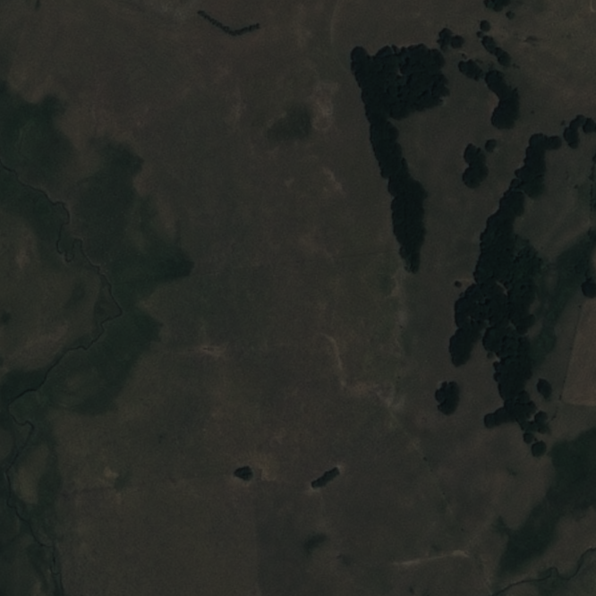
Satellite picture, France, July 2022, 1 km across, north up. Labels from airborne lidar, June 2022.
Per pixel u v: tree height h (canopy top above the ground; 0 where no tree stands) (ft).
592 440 0
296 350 0
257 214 0
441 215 0
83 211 0
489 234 51
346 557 0
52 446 0
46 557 0
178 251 0
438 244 0
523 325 61
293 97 0
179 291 0
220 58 0
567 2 0
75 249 0
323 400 0
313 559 0
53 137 0
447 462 0
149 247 0
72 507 0
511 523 0
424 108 59
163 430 0
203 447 0
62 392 0
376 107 63
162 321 0
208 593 0
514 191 41
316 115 0
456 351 62
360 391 0
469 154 48
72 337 0
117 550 0
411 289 0
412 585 0
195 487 0
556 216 0
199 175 0
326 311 0
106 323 0
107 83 0
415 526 0
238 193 0
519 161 0
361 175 0
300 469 0
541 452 57
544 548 0
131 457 0
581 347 0
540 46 0
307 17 0
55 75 0
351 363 0
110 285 0
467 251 0
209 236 0
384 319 0
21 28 0
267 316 0
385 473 0
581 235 0
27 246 0
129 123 0
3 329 0
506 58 67
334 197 0
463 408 0
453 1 0
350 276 0
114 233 0
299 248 0
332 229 0
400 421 0
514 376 81
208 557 0
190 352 0
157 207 0
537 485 0
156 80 0
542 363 0
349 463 0
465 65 53
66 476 0
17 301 0
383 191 0
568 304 0
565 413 0
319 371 0
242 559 0
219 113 0
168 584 0
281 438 0
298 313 0
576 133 62
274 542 0
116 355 0
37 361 0
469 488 0
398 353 0
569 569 0
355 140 0
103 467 0
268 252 0
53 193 0
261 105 0
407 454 0
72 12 0
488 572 0
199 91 0
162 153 0
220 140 0
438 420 0
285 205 0
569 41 0
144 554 0
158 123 0
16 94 0
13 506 0
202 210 0
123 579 0
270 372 0
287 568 0
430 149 0
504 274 70
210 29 0
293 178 0
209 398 0
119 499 0
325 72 0
